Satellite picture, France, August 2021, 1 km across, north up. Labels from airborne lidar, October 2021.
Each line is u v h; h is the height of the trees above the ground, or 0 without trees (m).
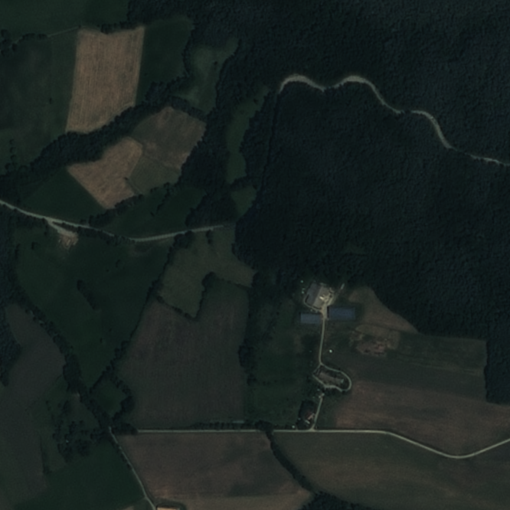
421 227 24
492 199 18
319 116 21
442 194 20
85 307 0
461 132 18
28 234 0
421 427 0
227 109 23
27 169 20
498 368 20
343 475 0
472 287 22
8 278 15
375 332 0
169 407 0
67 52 0
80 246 0
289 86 10
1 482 0
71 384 17
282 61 21
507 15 15
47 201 0
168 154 0
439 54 20
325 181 16
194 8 23
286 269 16
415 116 13
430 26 18
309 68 22
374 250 10
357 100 16
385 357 0
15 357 15
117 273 0
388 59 19
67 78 0
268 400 0
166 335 0
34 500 0
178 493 0
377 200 20
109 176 0
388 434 0
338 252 16
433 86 14
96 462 0
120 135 13
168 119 0
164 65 0
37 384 0
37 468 0
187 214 0
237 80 24
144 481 0
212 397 0
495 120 14
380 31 16
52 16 0
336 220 13
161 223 0
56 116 0
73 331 0
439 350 0
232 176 0
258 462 0
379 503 0
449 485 0
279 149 16
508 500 0
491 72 6
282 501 0
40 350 0
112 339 0
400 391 0
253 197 0
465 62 13
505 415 0
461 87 12
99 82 0
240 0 6
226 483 0
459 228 17
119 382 10
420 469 0
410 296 12
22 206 18
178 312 9
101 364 0
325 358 0
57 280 0
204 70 0
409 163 12
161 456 0
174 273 0
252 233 26
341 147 19
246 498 0
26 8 0
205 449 0
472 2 12
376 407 0
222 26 18
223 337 0
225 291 0
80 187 0
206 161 24
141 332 0
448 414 0
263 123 24
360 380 0
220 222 18
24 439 0
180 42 0
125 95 0
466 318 14
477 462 0
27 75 0
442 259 23
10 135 0
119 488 0
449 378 0
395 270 14
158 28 0
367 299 0
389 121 28
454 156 19
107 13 0
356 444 0
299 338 0
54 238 0
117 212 11
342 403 0
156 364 0
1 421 0
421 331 11
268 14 18
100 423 12
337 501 15
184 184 18
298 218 17
